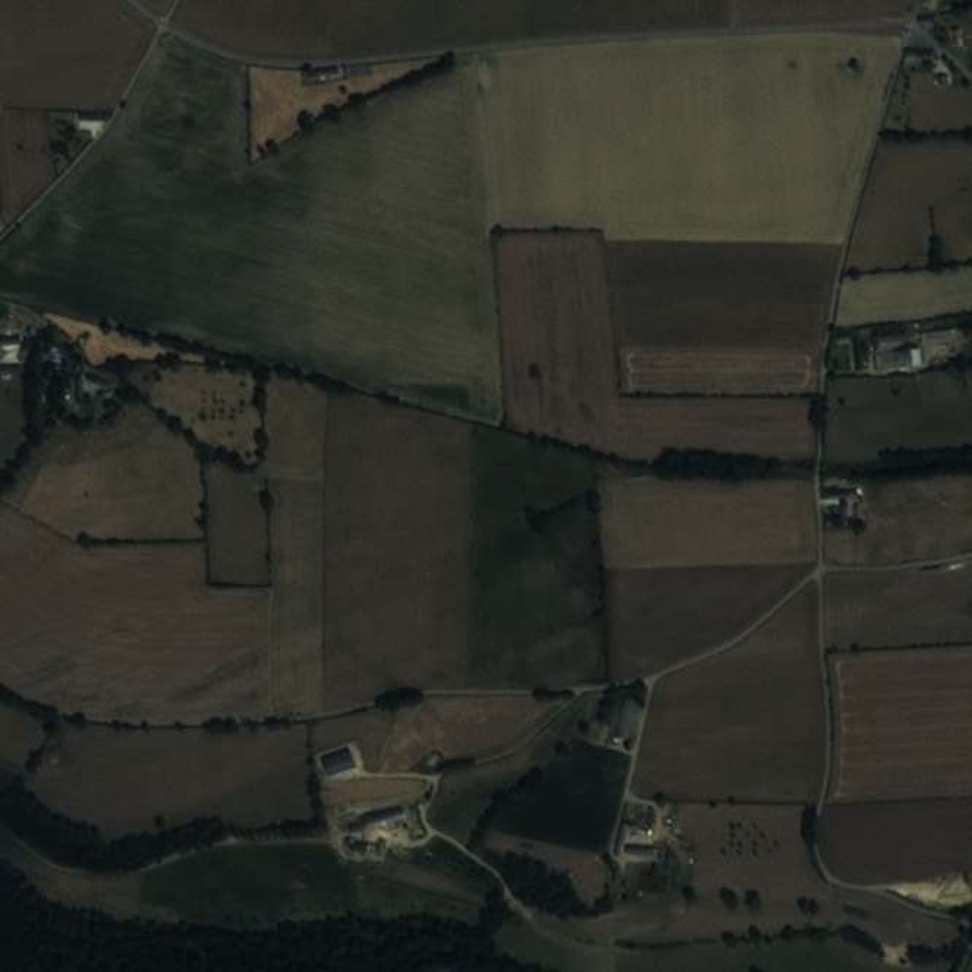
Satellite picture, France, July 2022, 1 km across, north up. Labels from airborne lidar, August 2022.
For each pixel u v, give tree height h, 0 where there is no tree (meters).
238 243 0
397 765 0
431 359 0
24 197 0
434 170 0
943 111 0
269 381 10
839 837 0
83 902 0
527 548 0
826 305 0
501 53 0
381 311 0
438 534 0
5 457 0
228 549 0
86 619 0
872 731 0
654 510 0
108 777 0
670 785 0
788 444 0
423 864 0
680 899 0
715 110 0
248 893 0
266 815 0
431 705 0
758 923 0
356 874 0
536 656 0
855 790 0
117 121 0
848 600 0
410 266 0
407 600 0
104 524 0
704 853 0
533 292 0
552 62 0
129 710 0
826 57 0
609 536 0
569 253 0
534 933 0
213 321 0
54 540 0
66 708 0
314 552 0
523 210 0
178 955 13
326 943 24
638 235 0
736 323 0
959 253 0
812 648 0
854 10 0
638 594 0
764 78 0
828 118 0
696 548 0
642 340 0
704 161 0
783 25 0
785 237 0
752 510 0
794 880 0
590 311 0
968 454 15
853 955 0
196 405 0
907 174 0
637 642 0
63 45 0
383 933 22
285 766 0
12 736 0
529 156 0
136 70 0
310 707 0
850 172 0
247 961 25
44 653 0
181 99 0
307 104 0
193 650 0
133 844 18
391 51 0
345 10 0
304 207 0
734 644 0
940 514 0
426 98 0
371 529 0
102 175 0
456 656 0
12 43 0
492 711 0
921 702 0
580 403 0
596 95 0
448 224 0
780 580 0
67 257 0
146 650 0
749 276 0
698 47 0
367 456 0
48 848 7
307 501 0
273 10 0
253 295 0
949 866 0
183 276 0
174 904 0
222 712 0
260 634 0
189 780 0
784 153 0
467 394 0
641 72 0
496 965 22
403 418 0
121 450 0
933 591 0
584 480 0
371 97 7
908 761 0
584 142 0
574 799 0
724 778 0
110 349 0
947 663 0
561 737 0
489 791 0
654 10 0
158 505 0
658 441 0
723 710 0
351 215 0
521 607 0
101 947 16
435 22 0
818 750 0
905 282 0
